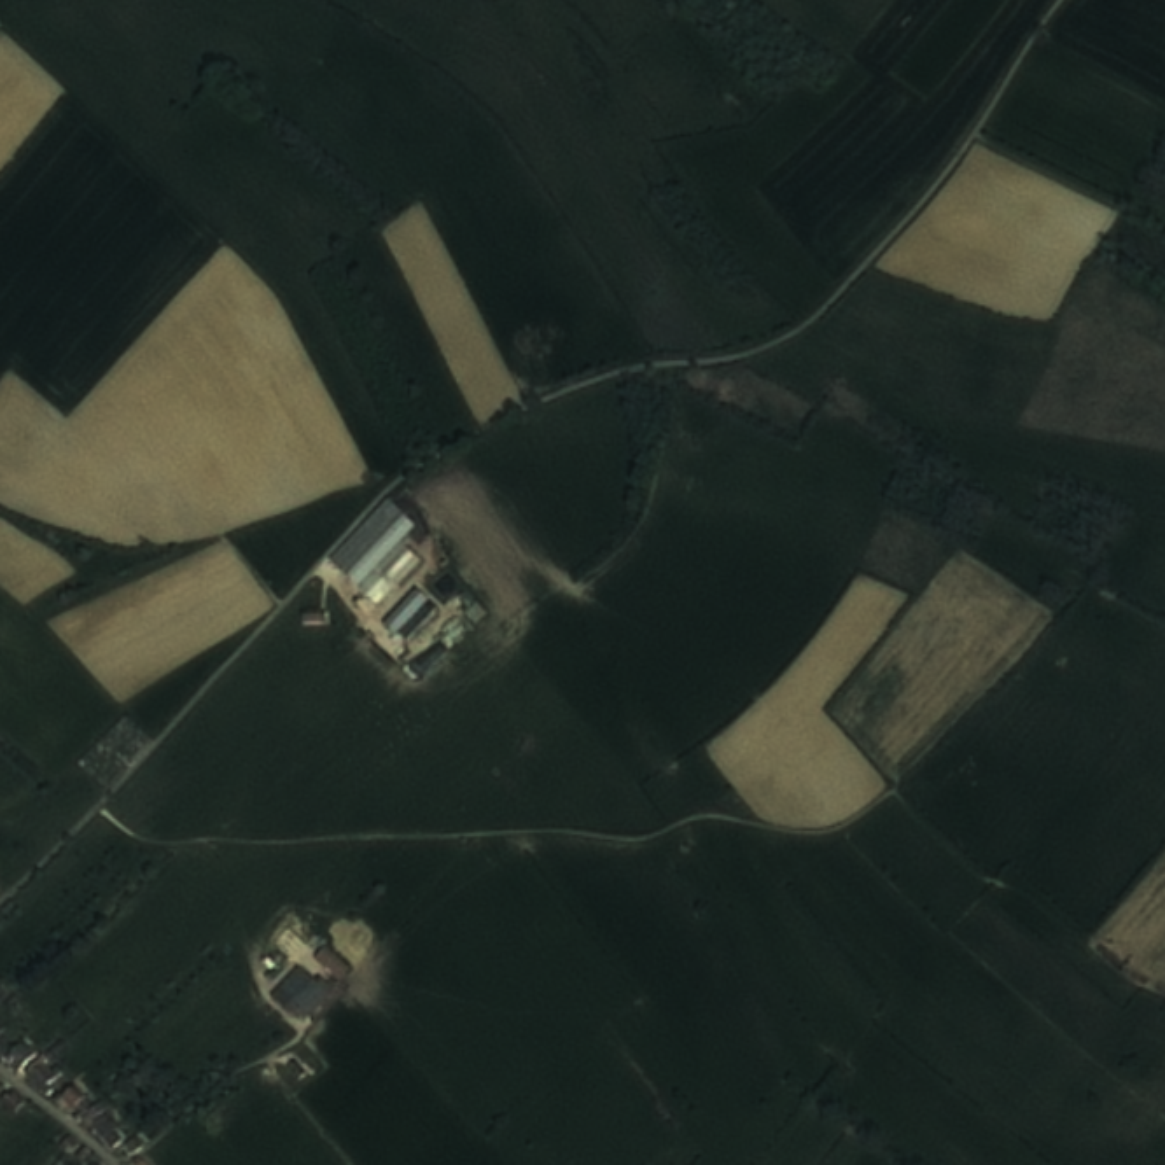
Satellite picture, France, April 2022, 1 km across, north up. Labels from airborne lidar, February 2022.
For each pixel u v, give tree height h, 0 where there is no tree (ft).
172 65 0
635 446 24
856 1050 0
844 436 0
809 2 0
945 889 0
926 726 0
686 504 0
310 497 0
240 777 0
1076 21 0
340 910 0
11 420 0
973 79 0
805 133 0
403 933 0
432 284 0
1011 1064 0
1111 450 0
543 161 0
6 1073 0
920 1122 0
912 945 0
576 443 0
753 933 0
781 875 0
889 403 0
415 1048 0
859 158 0
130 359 0
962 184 0
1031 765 0
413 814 0
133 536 0
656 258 0
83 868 0
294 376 0
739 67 35
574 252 0
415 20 0
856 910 0
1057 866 0
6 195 0
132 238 0
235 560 0
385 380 19
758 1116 0
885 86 0
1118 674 0
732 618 0
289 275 0
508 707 0
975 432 0
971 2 0
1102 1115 0
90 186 0
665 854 0
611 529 0
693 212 22
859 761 0
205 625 0
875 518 0
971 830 0
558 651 0
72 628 0
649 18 0
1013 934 0
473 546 0
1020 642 0
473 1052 0
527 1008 0
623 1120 0
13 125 0
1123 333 0
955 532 68
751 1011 0
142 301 0
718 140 0
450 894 0
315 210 0
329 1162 0
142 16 0
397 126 0
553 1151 0
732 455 0
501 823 0
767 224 0
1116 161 0
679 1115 0
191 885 0
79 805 0
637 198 0
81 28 0
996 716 0
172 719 0
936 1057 0
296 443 0
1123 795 0
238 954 0
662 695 0
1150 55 0
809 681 0
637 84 0
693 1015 0
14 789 0
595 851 0
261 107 51
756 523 0
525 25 0
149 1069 46
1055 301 0
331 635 0
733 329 0
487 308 0
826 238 0
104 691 0
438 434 20
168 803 0
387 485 0
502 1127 31
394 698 0
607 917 0
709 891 0
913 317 0
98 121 0
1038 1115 0
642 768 0
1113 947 0
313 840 0
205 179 0
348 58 0
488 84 0
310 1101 0
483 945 0
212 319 0
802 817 0
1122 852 0
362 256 0
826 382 0
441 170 0
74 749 0
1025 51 0
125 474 0
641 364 0
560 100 0
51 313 0
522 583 0
